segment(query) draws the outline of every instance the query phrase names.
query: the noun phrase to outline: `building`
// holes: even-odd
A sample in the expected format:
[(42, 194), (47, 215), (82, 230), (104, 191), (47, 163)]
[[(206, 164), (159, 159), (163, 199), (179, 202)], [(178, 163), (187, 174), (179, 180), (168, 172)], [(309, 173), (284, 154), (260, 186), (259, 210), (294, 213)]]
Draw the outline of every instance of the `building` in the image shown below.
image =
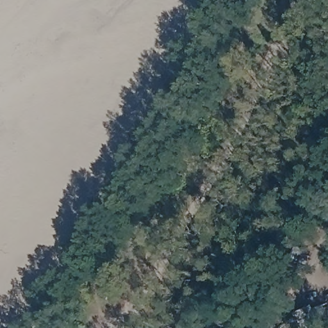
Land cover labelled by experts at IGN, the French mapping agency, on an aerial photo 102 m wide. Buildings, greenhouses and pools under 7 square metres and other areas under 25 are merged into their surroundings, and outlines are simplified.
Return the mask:
[(328, 328), (328, 306), (307, 305), (307, 314), (304, 314), (304, 311), (297, 310), (295, 306), (281, 322), (278, 322), (281, 328)]

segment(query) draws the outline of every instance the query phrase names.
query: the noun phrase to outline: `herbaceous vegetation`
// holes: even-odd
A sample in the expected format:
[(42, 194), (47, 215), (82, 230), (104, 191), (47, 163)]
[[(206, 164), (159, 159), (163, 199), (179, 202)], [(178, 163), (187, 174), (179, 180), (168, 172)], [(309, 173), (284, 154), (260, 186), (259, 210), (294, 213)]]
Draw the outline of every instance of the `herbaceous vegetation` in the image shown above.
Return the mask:
[(94, 293), (94, 309), (97, 313), (92, 316), (90, 322), (87, 322), (87, 328), (102, 328), (105, 307), (108, 305), (108, 297), (100, 299)]
[(181, 286), (170, 292), (170, 302), (178, 304), (186, 287), (191, 288), (191, 299), (195, 299), (196, 293), (201, 291), (213, 295), (213, 282), (209, 279), (197, 281), (196, 278), (208, 273), (215, 277), (225, 275), (233, 266), (242, 263), (246, 254), (258, 250), (261, 245), (269, 246), (270, 243), (274, 243), (277, 240), (277, 229), (263, 228), (251, 233), (247, 240), (236, 240), (236, 250), (229, 254), (225, 254), (220, 243), (215, 241), (211, 241), (210, 246), (199, 251), (197, 246), (200, 237), (195, 232), (188, 234), (188, 245), (184, 246), (184, 249), (191, 251), (192, 259), (208, 256), (209, 263), (201, 270), (195, 270), (193, 266), (187, 265), (186, 261), (174, 263), (172, 259), (168, 260), (159, 284), (169, 288), (173, 270), (186, 270), (186, 275), (179, 275), (182, 278)]
[(297, 141), (318, 146), (319, 138), (328, 127), (328, 110), (325, 110), (324, 115), (316, 117), (314, 123), (296, 128)]
[(297, 246), (296, 251), (287, 254), (288, 260), (292, 261), (297, 256), (301, 261), (309, 260), (310, 252), (318, 250), (320, 245), (313, 245), (309, 240), (305, 240), (304, 245)]
[(296, 206), (296, 197), (288, 197), (287, 200), (277, 201), (282, 208), (283, 219), (300, 214), (300, 206)]
[(155, 266), (147, 259), (150, 251), (145, 252), (142, 260), (138, 260), (132, 251), (128, 252), (127, 258), (133, 260), (137, 273), (154, 272)]
[(266, 0), (261, 12), (264, 17), (269, 15), (281, 26), (282, 14), (297, 0)]
[(143, 227), (149, 227), (156, 213), (173, 204), (176, 199), (173, 193), (163, 193), (161, 200), (152, 205), (149, 214), (142, 218)]
[(188, 195), (199, 197), (202, 181), (206, 177), (215, 174), (217, 170), (229, 169), (232, 172), (237, 168), (237, 161), (246, 159), (249, 147), (258, 145), (259, 124), (255, 114), (258, 114), (256, 109), (259, 105), (256, 101), (259, 97), (268, 101), (278, 99), (277, 92), (265, 90), (265, 86), (273, 82), (275, 73), (272, 68), (264, 69), (255, 58), (251, 58), (246, 51), (254, 44), (249, 32), (245, 29), (242, 35), (238, 36), (241, 45), (237, 45), (237, 51), (242, 55), (243, 83), (228, 97), (234, 104), (236, 123), (234, 126), (227, 126), (228, 133), (222, 140), (222, 149), (215, 152), (204, 149), (193, 159), (200, 168), (187, 176), (186, 187), (183, 188)]
[(277, 192), (282, 193), (283, 187), (286, 186), (286, 178), (293, 176), (293, 167), (301, 164), (301, 158), (284, 159), (284, 151), (297, 147), (291, 138), (287, 138), (279, 141), (281, 147), (275, 151), (277, 170), (261, 173), (261, 184), (255, 188), (255, 193), (266, 195), (268, 191), (277, 187)]

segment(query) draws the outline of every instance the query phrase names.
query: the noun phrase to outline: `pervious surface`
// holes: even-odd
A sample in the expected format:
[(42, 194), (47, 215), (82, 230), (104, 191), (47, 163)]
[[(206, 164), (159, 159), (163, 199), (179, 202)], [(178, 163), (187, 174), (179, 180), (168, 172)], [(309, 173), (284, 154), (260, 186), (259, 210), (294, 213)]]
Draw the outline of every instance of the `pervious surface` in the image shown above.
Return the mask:
[(265, 46), (270, 47), (268, 54), (256, 55), (255, 58), (264, 69), (272, 68), (273, 64), (278, 64), (277, 51), (286, 53), (287, 42), (284, 44), (273, 38), (270, 42), (266, 41)]
[(320, 264), (318, 250), (310, 252), (309, 260), (301, 261), (304, 265), (313, 266), (314, 272), (307, 274), (304, 286), (299, 292), (293, 291), (293, 288), (288, 290), (288, 293), (295, 293), (295, 306), (297, 310), (304, 311), (304, 314), (307, 314), (307, 305), (328, 306), (328, 273)]
[(138, 314), (138, 311), (128, 301), (124, 302), (123, 306), (108, 305), (105, 307), (102, 328), (118, 328), (126, 327), (129, 320), (127, 313)]

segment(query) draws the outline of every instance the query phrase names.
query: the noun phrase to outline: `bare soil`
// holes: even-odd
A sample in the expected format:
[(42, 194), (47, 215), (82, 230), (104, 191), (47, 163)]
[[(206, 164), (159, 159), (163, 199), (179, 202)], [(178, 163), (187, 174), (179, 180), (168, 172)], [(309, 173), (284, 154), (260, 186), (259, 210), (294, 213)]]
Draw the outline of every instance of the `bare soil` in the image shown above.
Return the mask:
[(156, 92), (172, 91), (168, 70), (173, 67), (173, 61), (167, 61), (168, 55), (164, 53), (164, 49), (169, 41), (182, 41), (190, 35), (186, 17), (191, 13), (196, 0), (0, 0), (0, 328), (9, 328), (10, 324), (17, 322), (24, 313), (27, 313), (26, 291), (31, 283), (40, 275), (44, 275), (46, 270), (58, 270), (63, 266), (63, 252), (69, 247), (74, 222), (81, 217), (81, 206), (86, 202), (101, 201), (100, 188), (108, 186), (111, 181), (111, 172), (115, 170), (114, 154), (119, 145), (132, 142), (133, 132), (151, 110), (151, 102)]

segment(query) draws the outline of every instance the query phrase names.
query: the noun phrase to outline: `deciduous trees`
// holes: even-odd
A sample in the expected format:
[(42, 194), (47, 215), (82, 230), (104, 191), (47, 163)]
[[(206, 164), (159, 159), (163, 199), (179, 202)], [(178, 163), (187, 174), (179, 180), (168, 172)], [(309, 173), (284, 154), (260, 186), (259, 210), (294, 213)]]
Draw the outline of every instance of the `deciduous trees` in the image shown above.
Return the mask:
[[(304, 286), (307, 274), (314, 272), (313, 266), (304, 265), (301, 261), (297, 256), (292, 261), (288, 260), (287, 254), (296, 251), (297, 246), (304, 245), (305, 240), (309, 240), (313, 245), (320, 245), (318, 250), (320, 264), (328, 273), (328, 127), (319, 138), (318, 146), (297, 141), (296, 128), (314, 123), (316, 117), (324, 115), (325, 110), (328, 110), (328, 0), (297, 0), (282, 14), (281, 26), (269, 15), (264, 17), (261, 12), (266, 0), (196, 0), (191, 13), (186, 17), (190, 35), (182, 41), (169, 41), (164, 49), (164, 53), (168, 55), (167, 61), (173, 61), (173, 67), (168, 70), (172, 91), (156, 92), (151, 102), (151, 110), (133, 132), (132, 142), (119, 145), (114, 154), (115, 170), (111, 172), (111, 181), (108, 186), (100, 188), (101, 201), (86, 202), (81, 206), (81, 217), (74, 222), (69, 247), (63, 252), (63, 266), (58, 270), (46, 270), (44, 275), (40, 275), (31, 283), (26, 291), (27, 313), (24, 313), (17, 322), (10, 324), (9, 328), (87, 328), (87, 322), (90, 322), (92, 316), (97, 313), (94, 309), (94, 293), (100, 299), (108, 297), (108, 305), (123, 306), (124, 302), (128, 301), (138, 311), (138, 314), (127, 313), (129, 320), (126, 327), (118, 328), (281, 328), (278, 322), (281, 322), (295, 306), (295, 293), (288, 293), (288, 290), (293, 288), (293, 291), (299, 292)], [(273, 64), (272, 68), (275, 73), (273, 82), (265, 86), (265, 90), (277, 92), (278, 99), (268, 101), (259, 97), (256, 101), (259, 105), (256, 109), (258, 114), (255, 114), (259, 124), (258, 145), (249, 147), (246, 159), (237, 161), (237, 168), (232, 172), (229, 169), (217, 170), (215, 174), (206, 177), (202, 181), (199, 197), (188, 195), (183, 188), (186, 187), (187, 176), (200, 168), (193, 159), (204, 149), (215, 152), (222, 149), (222, 140), (228, 133), (227, 126), (234, 126), (236, 123), (234, 104), (228, 97), (243, 83), (242, 55), (237, 51), (237, 45), (241, 45), (238, 36), (242, 35), (245, 29), (249, 32), (254, 44), (246, 51), (251, 58), (255, 58), (256, 55), (268, 54), (270, 47), (265, 46), (266, 41), (270, 42), (273, 38), (284, 44), (287, 42), (286, 53), (277, 51), (278, 64)], [(277, 187), (268, 191), (266, 195), (255, 193), (255, 188), (261, 184), (261, 173), (277, 170), (275, 151), (281, 147), (279, 141), (287, 138), (291, 138), (297, 147), (284, 151), (284, 159), (301, 158), (301, 164), (293, 167), (293, 176), (286, 178), (286, 186), (283, 187), (282, 193), (277, 192)], [(163, 193), (173, 193), (176, 199), (173, 204), (156, 213), (149, 227), (143, 227), (142, 218), (149, 214), (152, 205), (161, 200)], [(282, 208), (277, 201), (287, 200), (288, 197), (296, 197), (296, 206), (300, 206), (300, 214), (283, 219)], [(246, 254), (242, 263), (233, 266), (225, 275), (215, 277), (208, 273), (196, 278), (197, 281), (209, 279), (213, 282), (213, 295), (201, 291), (196, 293), (195, 299), (191, 299), (191, 288), (186, 287), (178, 304), (170, 302), (170, 292), (181, 286), (182, 278), (179, 275), (186, 275), (186, 270), (173, 270), (169, 288), (159, 284), (168, 260), (172, 259), (174, 263), (186, 261), (187, 265), (193, 266), (195, 270), (201, 270), (209, 263), (208, 256), (192, 259), (191, 251), (184, 249), (184, 246), (188, 245), (188, 234), (195, 232), (200, 237), (197, 246), (199, 251), (210, 246), (211, 241), (215, 241), (220, 243), (225, 254), (229, 254), (236, 250), (236, 240), (247, 240), (251, 233), (263, 228), (277, 229), (277, 240), (274, 243), (270, 243), (269, 246), (261, 245), (258, 250)], [(155, 266), (154, 272), (137, 273), (133, 260), (127, 258), (128, 252), (132, 251), (138, 260), (142, 260), (145, 252), (150, 251), (147, 259)]]

